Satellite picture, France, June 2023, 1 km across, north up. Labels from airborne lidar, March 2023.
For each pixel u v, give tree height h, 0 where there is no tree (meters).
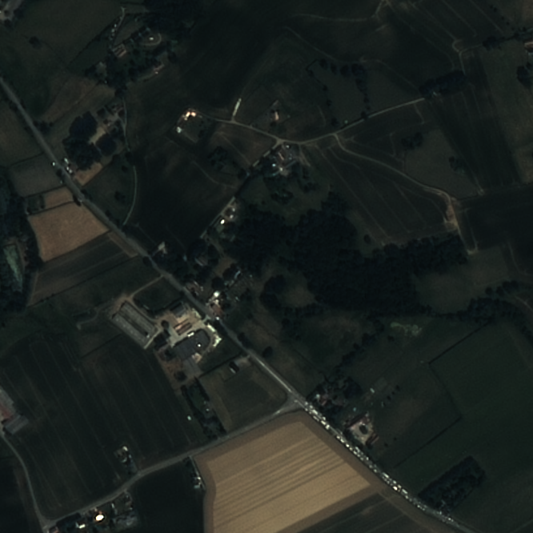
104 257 0
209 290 0
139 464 0
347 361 14
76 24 0
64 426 0
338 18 0
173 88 0
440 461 0
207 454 0
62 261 0
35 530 0
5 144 0
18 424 0
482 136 0
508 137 0
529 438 0
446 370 0
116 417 0
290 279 0
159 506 0
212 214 0
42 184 0
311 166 0
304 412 0
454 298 0
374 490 0
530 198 0
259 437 0
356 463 0
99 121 0
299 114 0
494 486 0
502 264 0
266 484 0
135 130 0
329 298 24
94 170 0
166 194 0
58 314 0
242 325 0
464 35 0
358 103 0
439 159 0
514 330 0
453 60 0
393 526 0
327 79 0
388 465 0
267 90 0
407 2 0
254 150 0
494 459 0
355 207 0
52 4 0
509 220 0
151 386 0
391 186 0
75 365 0
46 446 0
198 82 0
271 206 0
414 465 0
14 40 0
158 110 0
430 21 0
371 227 0
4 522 0
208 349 0
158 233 0
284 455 0
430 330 0
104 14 0
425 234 0
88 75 13
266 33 0
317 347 0
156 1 32
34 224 0
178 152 0
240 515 0
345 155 0
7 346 0
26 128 10
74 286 0
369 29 0
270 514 0
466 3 0
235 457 0
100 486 0
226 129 0
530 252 0
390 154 0
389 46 0
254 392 0
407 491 0
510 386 0
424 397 0
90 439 0
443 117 0
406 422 0
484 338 0
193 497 0
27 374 0
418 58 0
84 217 0
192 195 0
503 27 0
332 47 0
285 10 0
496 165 0
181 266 13
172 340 0
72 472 0
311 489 0
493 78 0
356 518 0
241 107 0
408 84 0
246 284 0
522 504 0
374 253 8
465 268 0
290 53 0
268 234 25
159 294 0
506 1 0
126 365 0
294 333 7
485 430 0
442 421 0
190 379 0
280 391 0
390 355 0
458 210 0
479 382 0
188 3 34
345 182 0
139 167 0
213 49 0
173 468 0
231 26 0
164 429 0
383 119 0
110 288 0
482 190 0
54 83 0
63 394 0
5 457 0
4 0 7
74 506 0
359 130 0
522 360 0
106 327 0
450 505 11
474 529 0
